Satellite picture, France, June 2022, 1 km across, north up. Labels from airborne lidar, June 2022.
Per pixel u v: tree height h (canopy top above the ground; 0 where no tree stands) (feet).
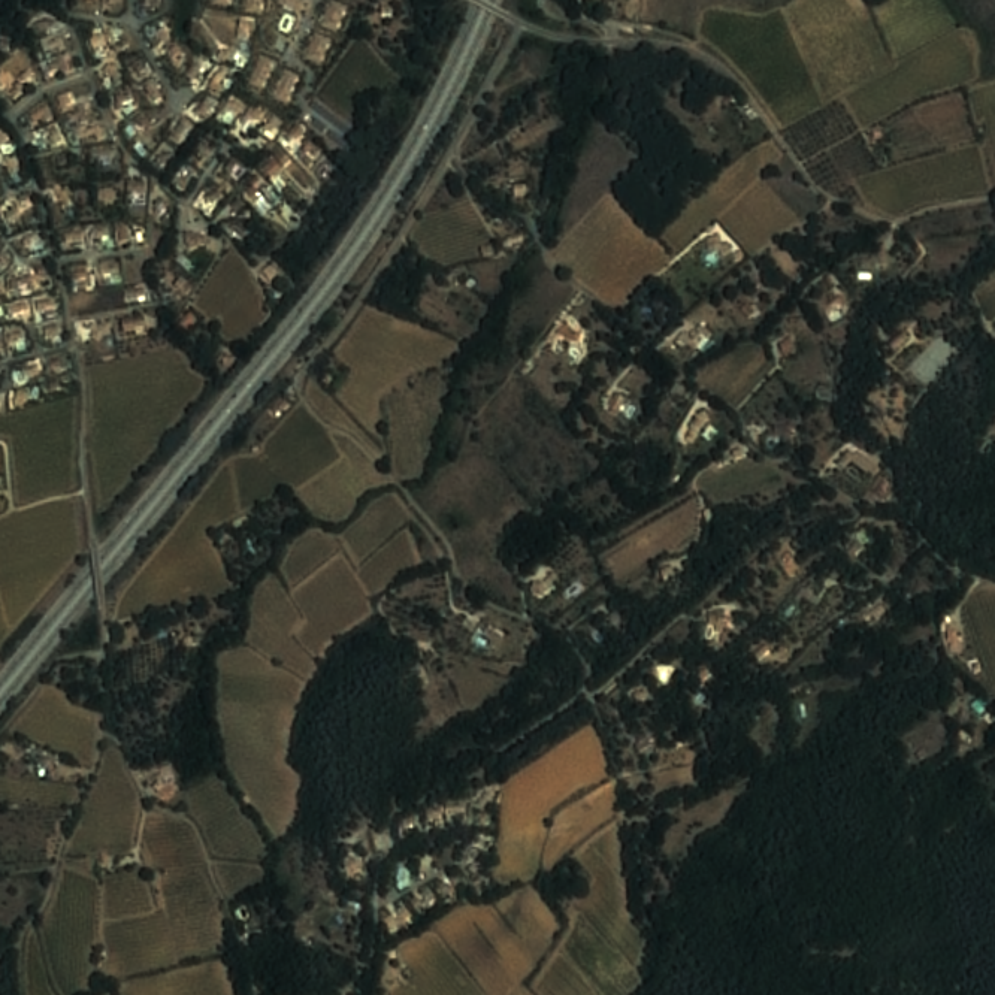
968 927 36
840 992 34
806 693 27
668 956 36
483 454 0
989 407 28
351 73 0
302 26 0
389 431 41
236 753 0
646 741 0
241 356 43
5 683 0
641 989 26
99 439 0
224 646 29
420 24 28
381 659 22
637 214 49
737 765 39
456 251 0
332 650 28
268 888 28
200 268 18
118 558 0
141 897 0
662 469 34
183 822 0
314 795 29
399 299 25
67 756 38
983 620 0
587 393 47
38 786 0
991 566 46
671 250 20
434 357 0
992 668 0
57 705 0
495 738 41
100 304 0
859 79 0
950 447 42
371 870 31
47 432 0
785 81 0
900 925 19
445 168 0
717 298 39
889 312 30
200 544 0
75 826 25
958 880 31
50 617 0
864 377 28
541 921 0
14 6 52
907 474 24
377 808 31
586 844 0
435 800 35
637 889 41
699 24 0
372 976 39
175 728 26
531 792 0
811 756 49
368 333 0
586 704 32
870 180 0
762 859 27
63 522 0
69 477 0
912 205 0
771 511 29
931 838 32
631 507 41
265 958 32
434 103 0
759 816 38
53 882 37
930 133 0
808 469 30
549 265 0
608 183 0
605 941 0
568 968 0
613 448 35
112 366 0
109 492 0
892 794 38
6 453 0
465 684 0
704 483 0
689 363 27
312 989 37
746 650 32
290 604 0
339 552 0
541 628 44
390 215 0
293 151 0
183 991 0
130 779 0
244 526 17
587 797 0
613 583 43
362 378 0
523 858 0
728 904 25
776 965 35
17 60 0
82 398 0
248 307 0
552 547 41
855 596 40
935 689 42
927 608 48
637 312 62
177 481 0
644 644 42
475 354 41
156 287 35
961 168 0
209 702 56
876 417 31
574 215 0
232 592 22
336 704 47
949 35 0
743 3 0
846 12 0
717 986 49
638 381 0
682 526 0
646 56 48
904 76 0
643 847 46
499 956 0
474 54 0
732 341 40
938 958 23
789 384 28
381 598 30
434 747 20
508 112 33
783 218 0
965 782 39
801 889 34
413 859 28
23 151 40
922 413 25
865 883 28
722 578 37
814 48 0
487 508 0
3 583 0
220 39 0
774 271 35
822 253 27
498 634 0
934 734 0
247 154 37
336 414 0
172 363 0
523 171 0
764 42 0
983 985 43
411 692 28
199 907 0
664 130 45
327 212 33
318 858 24
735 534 50
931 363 0
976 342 32
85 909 0
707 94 48
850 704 20
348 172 64
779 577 24
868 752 40
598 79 45
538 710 26
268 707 0
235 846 0
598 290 0
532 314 0
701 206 0
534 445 0
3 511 0
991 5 0
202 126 37
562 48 37
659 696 28
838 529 31
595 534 45
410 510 0
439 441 29
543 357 0
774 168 37
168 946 0
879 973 27
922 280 24
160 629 41
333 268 0
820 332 32
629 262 0
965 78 0
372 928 47
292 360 0
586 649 26
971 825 38
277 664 30
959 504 41
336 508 0
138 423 0
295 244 31
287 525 40
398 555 0
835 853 42
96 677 31
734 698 47
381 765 23
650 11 0
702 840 42
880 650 37
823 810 52
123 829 0
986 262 29
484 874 36
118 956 0
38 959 0
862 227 26
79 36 0
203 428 0
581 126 36
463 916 0
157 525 0
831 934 42
